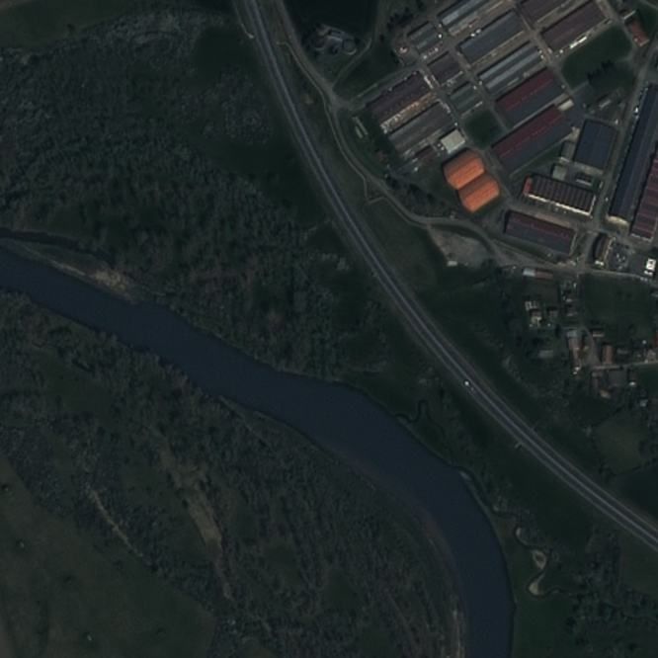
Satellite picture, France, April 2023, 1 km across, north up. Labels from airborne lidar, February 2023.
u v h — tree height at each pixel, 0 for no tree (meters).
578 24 0
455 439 0
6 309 22
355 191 0
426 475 0
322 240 0
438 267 0
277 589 9
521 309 0
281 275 13
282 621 10
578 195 0
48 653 0
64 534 0
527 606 0
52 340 16
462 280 0
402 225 0
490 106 0
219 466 20
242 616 10
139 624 0
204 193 27
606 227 0
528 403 0
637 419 15
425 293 0
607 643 0
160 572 22
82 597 0
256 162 0
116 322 0
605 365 0
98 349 11
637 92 0
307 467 8
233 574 24
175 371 20
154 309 0
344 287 0
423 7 12
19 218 26
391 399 0
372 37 0
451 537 0
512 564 0
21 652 0
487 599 0
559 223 0
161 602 0
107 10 0
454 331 0
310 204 0
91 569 0
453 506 0
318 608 20
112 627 0
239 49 0
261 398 0
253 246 20
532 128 0
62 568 0
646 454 16
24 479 7
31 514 0
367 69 0
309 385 0
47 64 16
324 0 0
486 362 0
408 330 0
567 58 0
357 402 0
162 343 0
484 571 0
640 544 0
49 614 0
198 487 0
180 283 15
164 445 0
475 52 0
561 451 0
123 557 0
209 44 0
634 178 0
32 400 19
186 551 0
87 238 0
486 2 0
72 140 9
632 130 0
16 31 0
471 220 0
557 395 0
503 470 0
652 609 19
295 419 0
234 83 12
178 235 0
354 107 0
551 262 0
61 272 0
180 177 15
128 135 17
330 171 0
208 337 0
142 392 26
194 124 0
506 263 0
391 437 0
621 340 0
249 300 9
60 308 0
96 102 12
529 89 0
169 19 6
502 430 0
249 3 0
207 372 0
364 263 0
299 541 24
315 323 22
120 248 0
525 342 14
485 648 0
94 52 16
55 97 14
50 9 0
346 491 6
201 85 0
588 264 0
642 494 0
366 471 0
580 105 0
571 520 0
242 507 0
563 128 0
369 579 23
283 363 24
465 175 0
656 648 0
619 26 0
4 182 22
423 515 0
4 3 0
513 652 0
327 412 0
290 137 0
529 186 0
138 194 16
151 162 18
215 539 0
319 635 22
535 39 0
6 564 0
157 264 27
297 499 22
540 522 0
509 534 0
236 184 23
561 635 0
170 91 15
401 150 0
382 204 0
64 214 0
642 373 0
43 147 6
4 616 0
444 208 10
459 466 0
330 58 0
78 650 0
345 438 0
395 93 0
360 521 8
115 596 0
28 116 6
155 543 7
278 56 0
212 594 11
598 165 0
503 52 0
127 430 19
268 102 0
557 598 0
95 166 18
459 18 0
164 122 11
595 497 0
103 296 0
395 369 0
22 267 0
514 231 0
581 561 0
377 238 0
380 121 0
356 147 0
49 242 0
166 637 0
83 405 0
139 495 0
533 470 0
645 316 0
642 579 0
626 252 0
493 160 0
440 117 0
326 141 0
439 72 0
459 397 0
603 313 0
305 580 17
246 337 16
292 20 0
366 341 0
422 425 0
